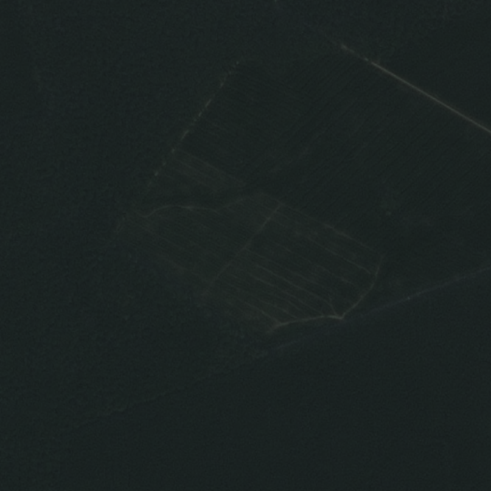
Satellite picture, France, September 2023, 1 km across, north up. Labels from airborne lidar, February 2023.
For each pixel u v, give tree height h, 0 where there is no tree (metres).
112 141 36
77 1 35
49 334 31
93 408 25
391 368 21
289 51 37
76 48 35
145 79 37
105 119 39
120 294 29
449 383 21
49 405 32
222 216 0
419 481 21
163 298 29
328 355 21
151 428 26
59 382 29
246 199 0
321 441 16
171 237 0
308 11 14
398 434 19
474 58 7
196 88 33
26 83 17
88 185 34
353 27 31
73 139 33
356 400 20
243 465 20
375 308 0
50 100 31
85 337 33
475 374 20
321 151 6
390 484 22
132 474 23
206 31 37
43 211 31
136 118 35
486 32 7
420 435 20
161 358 30
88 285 30
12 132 34
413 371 22
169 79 37
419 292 0
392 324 22
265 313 0
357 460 20
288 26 35
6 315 32
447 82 11
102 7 34
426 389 20
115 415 19
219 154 0
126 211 22
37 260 33
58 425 29
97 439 21
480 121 6
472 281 17
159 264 0
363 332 18
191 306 30
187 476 20
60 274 30
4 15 17
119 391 30
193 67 38
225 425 20
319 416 23
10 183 33
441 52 9
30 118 28
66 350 28
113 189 31
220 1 37
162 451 22
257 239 0
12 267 33
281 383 18
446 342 22
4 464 31
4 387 30
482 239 6
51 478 27
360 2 34
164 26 36
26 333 34
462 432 17
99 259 30
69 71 34
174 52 37
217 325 31
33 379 34
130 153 34
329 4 30
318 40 33
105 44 37
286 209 0
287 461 21
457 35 9
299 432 18
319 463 16
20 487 28
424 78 11
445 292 20
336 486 22
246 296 0
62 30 36
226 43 37
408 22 31
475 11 10
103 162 33
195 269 0
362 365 20
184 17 34
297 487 20
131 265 30
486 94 12
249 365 19
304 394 18
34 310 28
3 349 36
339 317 0
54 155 27
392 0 33
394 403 19
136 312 27
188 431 22
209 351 30
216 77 35
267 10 37
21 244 31
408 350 22
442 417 18
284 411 18
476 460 14
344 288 0
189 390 23
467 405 19
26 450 31
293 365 20
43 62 32
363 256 0
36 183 30
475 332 22
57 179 32
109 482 20
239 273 0
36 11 32
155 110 35
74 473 22
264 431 20
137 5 36
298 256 0
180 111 32
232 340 25
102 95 35
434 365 22
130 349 26
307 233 0
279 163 0
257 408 19
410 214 0
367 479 18
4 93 18
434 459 22
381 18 23
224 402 20
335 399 20
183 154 0
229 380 18
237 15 37
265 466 20
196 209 0
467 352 18
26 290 33
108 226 30
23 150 31
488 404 19
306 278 0
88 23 37
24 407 34
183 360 33
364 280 0
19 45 17
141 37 37
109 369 33
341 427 17
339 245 0
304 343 20
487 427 21
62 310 31
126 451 23
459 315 20
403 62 14
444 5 22
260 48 35
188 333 30
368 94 6
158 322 32
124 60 37
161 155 36
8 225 28
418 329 22
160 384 27
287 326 0
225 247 0
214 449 17
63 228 30
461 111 8
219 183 0
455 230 6
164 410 23
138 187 34
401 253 5
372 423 21
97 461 22
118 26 35
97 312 34
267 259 0
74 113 30
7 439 31
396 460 21
